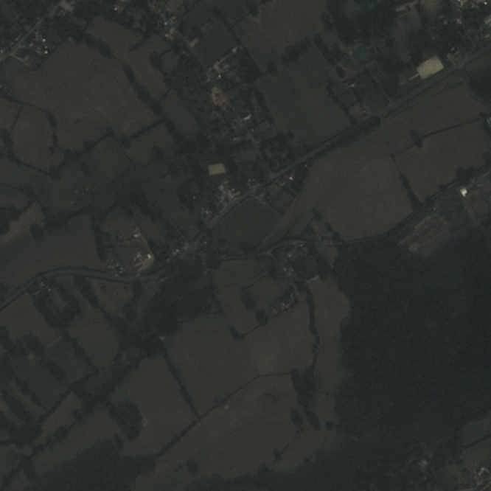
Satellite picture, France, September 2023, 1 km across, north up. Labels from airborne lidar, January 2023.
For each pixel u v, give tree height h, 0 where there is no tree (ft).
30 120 0
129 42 0
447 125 0
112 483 71
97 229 81
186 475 0
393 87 55
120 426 65
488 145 0
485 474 24
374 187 0
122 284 0
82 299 0
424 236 0
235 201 0
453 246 42
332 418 0
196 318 0
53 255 0
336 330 0
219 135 0
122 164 0
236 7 0
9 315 0
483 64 0
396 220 0
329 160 0
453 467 0
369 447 57
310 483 80
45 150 0
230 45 0
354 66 0
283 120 0
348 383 44
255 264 0
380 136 0
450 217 0
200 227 55
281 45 0
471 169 30
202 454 0
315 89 0
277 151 28
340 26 75
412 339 52
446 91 0
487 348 56
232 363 0
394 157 39
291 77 0
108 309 0
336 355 0
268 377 0
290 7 0
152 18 53
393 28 0
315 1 0
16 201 0
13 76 0
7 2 29
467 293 66
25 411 50
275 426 0
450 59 0
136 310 39
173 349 0
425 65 0
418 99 0
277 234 0
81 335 0
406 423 69
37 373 0
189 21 0
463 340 72
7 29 18
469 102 0
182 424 0
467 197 0
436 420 69
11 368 40
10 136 68
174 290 89
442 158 0
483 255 52
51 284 22
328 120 0
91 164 0
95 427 0
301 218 0
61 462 0
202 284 0
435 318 66
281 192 0
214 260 60
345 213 0
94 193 0
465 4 0
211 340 0
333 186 0
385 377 70
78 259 0
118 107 0
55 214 0
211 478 0
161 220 61
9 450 0
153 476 0
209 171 0
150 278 0
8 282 0
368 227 0
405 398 47
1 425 57
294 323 0
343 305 0
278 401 0
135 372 0
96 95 0
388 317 29
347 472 65
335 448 0
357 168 0
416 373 85
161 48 0
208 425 0
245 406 0
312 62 0
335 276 57
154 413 0
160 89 0
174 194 0
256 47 0
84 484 80
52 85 0
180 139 71
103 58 0
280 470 0
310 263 0
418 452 38
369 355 32
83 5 33
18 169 0
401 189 0
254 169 38
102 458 68
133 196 85
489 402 47
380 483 40
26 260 0
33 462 0
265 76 0
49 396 0
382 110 0
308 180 0
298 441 0
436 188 0
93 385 0
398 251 28
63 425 0
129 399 0
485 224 41
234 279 0
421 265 48
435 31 31
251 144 19
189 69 35
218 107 33
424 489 36
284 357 0
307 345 0
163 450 25
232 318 0
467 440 0
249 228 0
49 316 68
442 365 69
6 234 0
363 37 34
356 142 0
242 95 37
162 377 0
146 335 74
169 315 88
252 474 0
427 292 56
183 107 0
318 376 0
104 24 0
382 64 34
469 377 78
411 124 0
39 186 0
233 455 0
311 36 0
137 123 0
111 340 0
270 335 0
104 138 18
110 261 0
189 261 0
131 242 0
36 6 22
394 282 72
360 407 34
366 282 49
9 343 71
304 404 67
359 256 30
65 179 0
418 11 31
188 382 0
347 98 0
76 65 0
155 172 0
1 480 0
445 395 52
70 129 0
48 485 73
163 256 18
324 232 0
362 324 39
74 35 48
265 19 0
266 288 0
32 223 0
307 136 0
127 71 57
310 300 44
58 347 0
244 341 0
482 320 30
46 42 0
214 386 0
